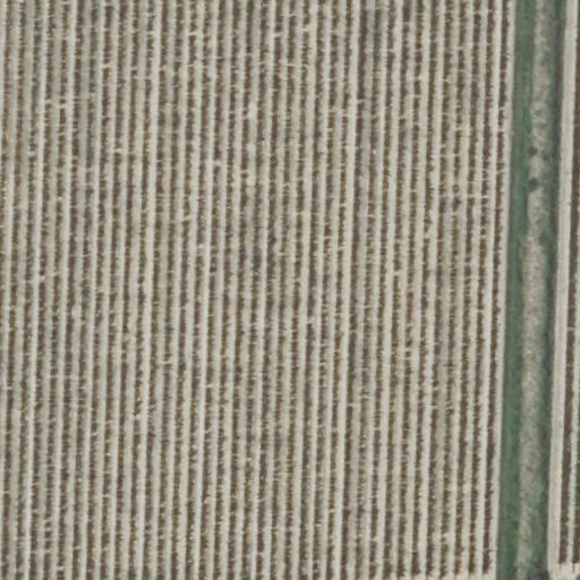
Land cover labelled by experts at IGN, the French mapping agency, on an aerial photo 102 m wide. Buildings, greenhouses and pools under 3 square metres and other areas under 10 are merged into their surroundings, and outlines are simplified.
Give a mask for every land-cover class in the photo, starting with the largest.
<instances>
[{"label":"vineyard","instance_id":"1","mask_svg":"<svg viewBox=\"0 0 580 580\"><path fill-rule=\"evenodd\" d=\"M498 526H514L519 530V564L530 562V557L541 548L548 553H557L562 564L580 562V0H0V580H496Z\"/></svg>","mask_w":580,"mask_h":580},{"label":"deciduous trees","instance_id":"2","mask_svg":"<svg viewBox=\"0 0 580 580\"><path fill-rule=\"evenodd\" d=\"M519 530L514 526H498L496 580H551L546 566L548 553L541 548L530 557V562L519 564Z\"/></svg>","mask_w":580,"mask_h":580},{"label":"herbaceous vegetation","instance_id":"3","mask_svg":"<svg viewBox=\"0 0 580 580\"><path fill-rule=\"evenodd\" d=\"M546 566L551 580H580V562L562 564L557 553H548Z\"/></svg>","mask_w":580,"mask_h":580}]
</instances>
